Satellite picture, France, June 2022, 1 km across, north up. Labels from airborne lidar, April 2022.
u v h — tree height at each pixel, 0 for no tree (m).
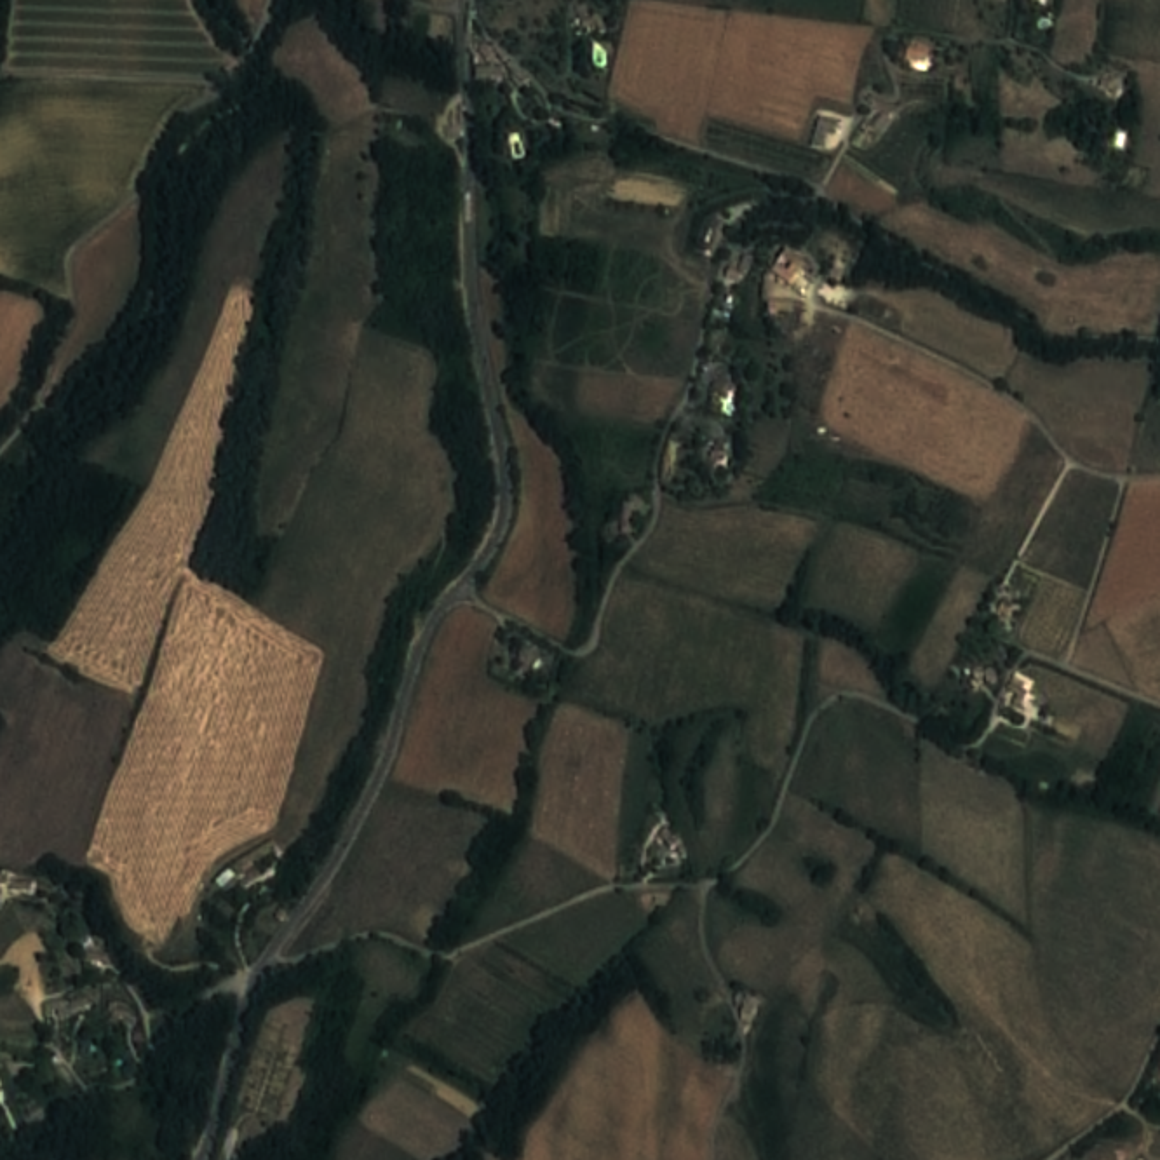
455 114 0
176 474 0
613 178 0
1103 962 0
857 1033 0
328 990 8
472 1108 0
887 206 0
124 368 14
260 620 0
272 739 0
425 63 11
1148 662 0
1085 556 0
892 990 0
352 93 0
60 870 12
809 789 0
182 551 0
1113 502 0
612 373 0
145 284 8
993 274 0
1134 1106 7
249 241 0
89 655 0
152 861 0
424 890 0
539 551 0
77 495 14
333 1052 11
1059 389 0
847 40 0
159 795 0
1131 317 0
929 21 0
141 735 0
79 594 11
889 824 0
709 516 0
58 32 0
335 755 0
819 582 0
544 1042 16
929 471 0
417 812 0
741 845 0
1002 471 0
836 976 0
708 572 0
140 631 0
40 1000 0
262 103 17
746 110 0
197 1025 18
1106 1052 0
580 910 0
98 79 0
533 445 0
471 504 17
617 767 0
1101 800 19
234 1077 11
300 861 19
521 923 0
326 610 0
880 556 0
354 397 0
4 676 0
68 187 0
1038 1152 0
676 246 0
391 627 13
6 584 12
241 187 0
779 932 0
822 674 0
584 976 0
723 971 0
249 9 0
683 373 0
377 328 7
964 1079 0
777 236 14
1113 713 0
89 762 0
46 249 0
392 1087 0
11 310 0
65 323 12
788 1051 0
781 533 0
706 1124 0
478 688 0
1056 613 0
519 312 28
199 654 0
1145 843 0
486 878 15
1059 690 0
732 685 0
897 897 0
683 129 0
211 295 0
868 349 0
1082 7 0
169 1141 10
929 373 0
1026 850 0
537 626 0
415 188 11
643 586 0
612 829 0
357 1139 0
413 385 0
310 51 0
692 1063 0
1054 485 0
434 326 14
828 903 0
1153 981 0
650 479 5
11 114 0
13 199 0
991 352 0
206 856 0
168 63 0
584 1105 0
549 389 0
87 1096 10
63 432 10
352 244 0
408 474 0
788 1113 0
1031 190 0
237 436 22
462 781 0
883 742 0
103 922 20
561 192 0
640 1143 0
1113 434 0
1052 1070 0
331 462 0
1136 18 0
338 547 0
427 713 0
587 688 0
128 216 0
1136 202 0
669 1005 13
